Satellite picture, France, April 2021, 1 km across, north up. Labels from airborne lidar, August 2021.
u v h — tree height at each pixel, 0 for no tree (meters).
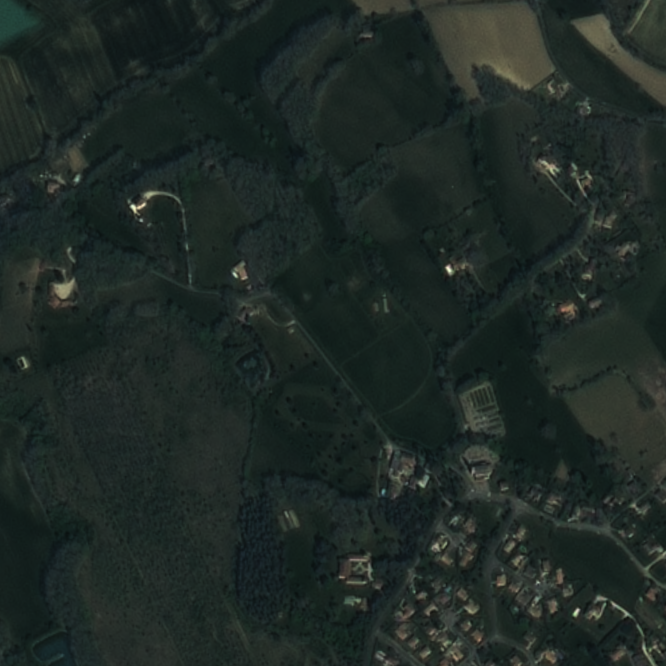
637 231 10
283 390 0
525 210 0
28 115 0
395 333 0
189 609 9
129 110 0
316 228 16
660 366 0
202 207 0
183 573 8
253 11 14
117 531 7
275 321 0
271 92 22
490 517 0
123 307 18
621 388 0
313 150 19
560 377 0
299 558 0
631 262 15
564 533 0
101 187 11
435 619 8
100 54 0
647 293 0
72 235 19
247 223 0
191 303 0
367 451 0
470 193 0
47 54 0
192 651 6
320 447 0
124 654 0
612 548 0
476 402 0
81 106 0
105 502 10
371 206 0
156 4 0
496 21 0
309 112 18
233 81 0
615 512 9
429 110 0
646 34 0
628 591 0
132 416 13
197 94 0
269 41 0
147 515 11
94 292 14
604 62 0
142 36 0
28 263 0
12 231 13
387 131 0
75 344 0
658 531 6
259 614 15
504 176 0
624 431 0
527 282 25
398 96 0
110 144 0
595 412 0
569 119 10
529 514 0
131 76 0
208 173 13
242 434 0
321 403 0
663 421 0
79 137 13
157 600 7
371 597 0
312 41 19
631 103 0
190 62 13
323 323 0
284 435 6
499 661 9
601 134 12
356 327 0
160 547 9
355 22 18
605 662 14
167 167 26
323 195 0
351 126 0
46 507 8
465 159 0
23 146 0
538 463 0
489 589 0
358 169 14
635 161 22
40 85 0
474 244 14
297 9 0
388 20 6
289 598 10
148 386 0
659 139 0
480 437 8
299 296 0
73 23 0
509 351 0
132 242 0
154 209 0
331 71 18
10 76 0
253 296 15
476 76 13
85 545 13
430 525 7
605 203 11
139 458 13
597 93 0
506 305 15
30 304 0
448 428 0
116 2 0
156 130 0
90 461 11
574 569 0
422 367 0
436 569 10
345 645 8
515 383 0
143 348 0
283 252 19
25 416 7
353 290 0
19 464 0
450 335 0
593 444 6
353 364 0
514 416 0
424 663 10
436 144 0
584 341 0
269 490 16
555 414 0
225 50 0
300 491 24
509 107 0
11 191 6
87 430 15
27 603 0
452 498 14
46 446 8
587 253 14
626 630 11
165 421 0
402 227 0
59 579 20
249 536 14
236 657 9
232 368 7
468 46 0
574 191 16
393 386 0
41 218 19
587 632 0
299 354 0
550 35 0
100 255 22
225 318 15
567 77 0
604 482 0
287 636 9
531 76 0
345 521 20
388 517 16
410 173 0
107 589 6
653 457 0
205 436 0
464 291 14
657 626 0
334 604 6
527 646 0
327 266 0
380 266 15
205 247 0
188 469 0
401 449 0
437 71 0
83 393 10
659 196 0
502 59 0
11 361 9
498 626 0
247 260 17
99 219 0
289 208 24
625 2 0
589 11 0
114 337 6
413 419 0
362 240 8
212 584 5
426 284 0
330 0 0
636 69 0
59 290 0
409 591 9
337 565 0
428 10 0
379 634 0
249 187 22
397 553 11
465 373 0
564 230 0
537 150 8
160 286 0
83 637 18
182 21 0
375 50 0
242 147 0
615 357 0
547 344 15
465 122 16
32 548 0
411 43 0
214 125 0
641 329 0
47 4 0
